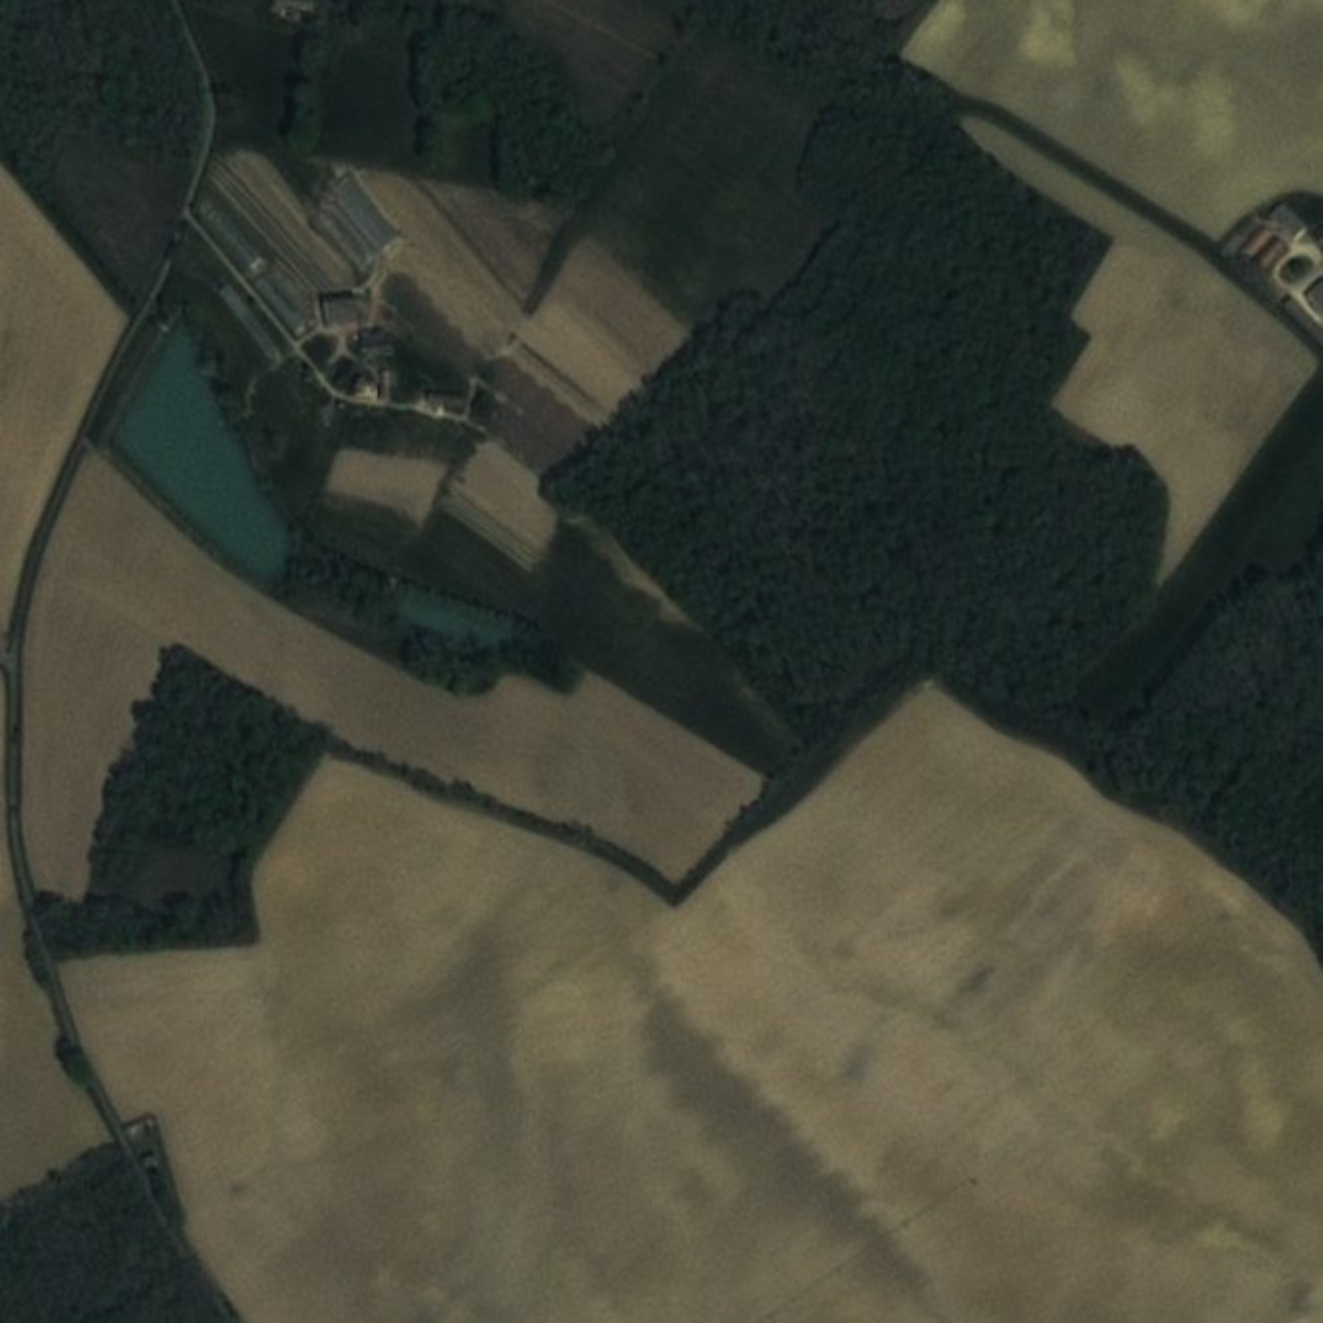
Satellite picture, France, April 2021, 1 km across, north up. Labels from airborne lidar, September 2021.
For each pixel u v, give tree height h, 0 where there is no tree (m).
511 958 0
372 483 0
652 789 0
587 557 0
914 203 18
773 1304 0
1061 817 0
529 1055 0
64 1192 16
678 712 0
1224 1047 0
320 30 15
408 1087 0
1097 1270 0
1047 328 22
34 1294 23
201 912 18
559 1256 0
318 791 0
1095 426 0
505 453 0
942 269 22
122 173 0
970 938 0
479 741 0
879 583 16
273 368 0
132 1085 0
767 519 13
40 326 0
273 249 0
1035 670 20
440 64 26
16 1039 0
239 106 14
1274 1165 0
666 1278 0
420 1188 0
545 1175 0
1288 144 0
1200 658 20
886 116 15
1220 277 0
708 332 10
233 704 25
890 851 0
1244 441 0
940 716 0
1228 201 0
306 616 0
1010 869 0
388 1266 0
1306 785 15
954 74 0
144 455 0
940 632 19
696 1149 0
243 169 0
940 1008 0
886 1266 0
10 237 0
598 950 0
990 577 24
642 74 0
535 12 0
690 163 0
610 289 0
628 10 0
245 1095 0
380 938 0
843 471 18
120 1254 20
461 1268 0
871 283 15
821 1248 0
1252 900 0
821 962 0
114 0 22
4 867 0
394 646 0
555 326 0
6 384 0
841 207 9
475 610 11
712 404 20
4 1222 17
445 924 0
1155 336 0
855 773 0
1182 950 0
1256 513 0
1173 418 0
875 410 22
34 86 12
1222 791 13
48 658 0
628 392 0
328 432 0
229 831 22
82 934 20
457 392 0
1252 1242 0
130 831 15
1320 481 0
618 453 18
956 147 19
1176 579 0
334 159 0
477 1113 0
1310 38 0
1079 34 0
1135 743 20
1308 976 0
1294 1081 0
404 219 0
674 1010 0
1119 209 0
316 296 0
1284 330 0
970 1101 0
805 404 13
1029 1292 0
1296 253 0
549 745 0
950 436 21
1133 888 0
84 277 0
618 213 0
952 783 0
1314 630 21
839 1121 0
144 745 16
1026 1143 0
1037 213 21
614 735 0
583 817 0
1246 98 0
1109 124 0
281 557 0
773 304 7
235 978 0
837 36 30
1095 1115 0
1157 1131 0
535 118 21
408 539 0
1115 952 0
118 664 0
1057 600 24
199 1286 23
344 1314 0
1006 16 0
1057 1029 0
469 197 0
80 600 0
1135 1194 0
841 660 22
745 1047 0
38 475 0
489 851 0
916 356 26
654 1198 0
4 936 0
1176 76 0
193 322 8
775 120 0
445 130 19
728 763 0
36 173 14
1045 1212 0
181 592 0
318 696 0
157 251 0
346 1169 0
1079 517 23
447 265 0
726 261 0
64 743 0
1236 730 21
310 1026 0
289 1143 0
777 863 0
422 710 0
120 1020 0
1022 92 0
